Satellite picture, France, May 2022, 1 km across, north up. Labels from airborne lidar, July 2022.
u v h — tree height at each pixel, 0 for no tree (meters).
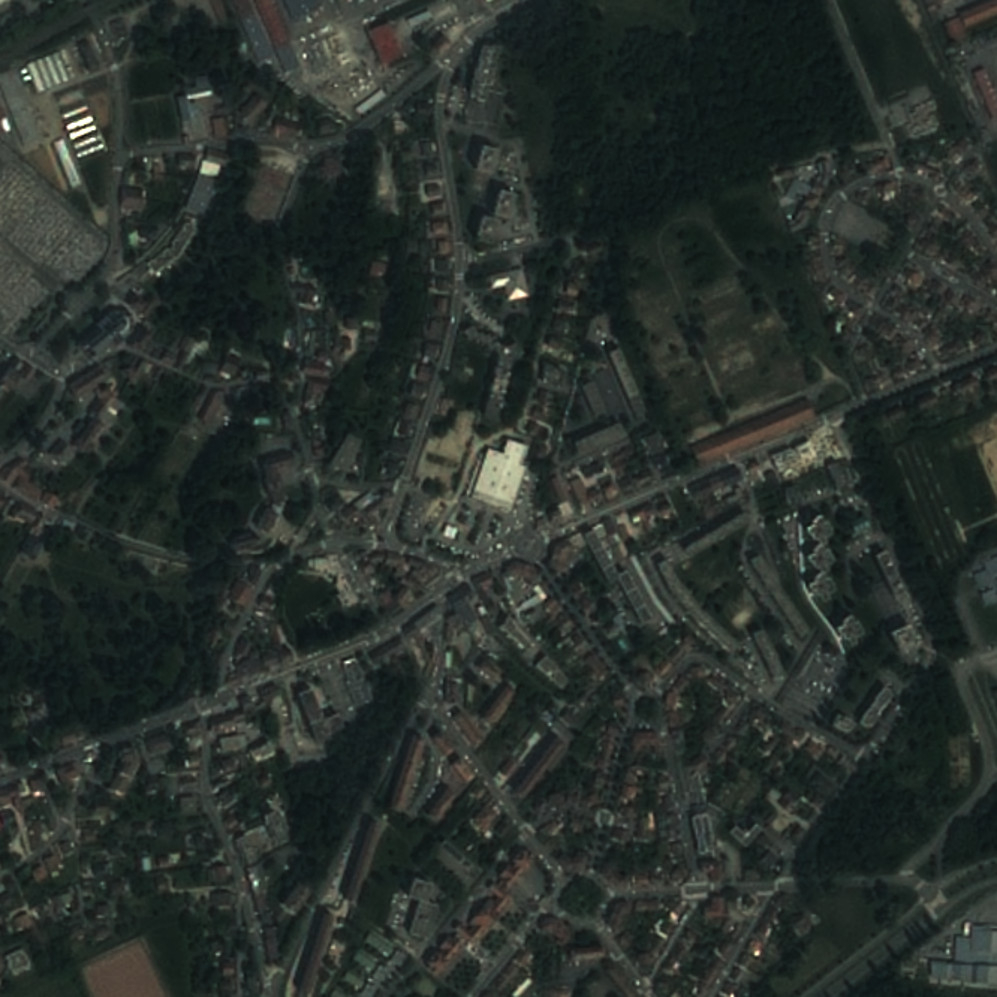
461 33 0
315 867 17
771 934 6
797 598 0
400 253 12
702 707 8
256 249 24
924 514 0
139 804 8
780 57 18
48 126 0
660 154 19
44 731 26
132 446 6
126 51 0
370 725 19
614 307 19
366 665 12
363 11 0
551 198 9
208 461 24
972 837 17
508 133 0
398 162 8
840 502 7
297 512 18
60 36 12
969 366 8
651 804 7
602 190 14
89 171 0
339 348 0
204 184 0
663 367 0
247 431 19
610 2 0
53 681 24
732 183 22
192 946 6
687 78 18
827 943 0
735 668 0
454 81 7
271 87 7
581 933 8
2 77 0
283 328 0
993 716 0
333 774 23
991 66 0
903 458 0
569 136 14
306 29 0
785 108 19
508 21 17
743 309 0
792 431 0
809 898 20
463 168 0
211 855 7
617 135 15
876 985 15
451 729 0
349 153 16
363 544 0
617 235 24
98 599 10
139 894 8
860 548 0
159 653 17
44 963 14
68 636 16
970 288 0
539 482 7
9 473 0
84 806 13
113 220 0
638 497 0
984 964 0
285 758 13
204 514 28
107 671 10
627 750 9
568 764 7
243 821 10
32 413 12
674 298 0
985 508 0
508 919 5
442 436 8
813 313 0
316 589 0
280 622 8
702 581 0
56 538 21
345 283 22
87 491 0
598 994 0
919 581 22
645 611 0
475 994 0
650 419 19
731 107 23
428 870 19
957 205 0
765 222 0
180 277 19
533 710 7
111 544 14
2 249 0
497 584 9
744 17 20
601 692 6
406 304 19
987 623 0
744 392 0
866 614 0
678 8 0
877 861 19
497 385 0
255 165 23
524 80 0
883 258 17
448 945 0
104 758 13
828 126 7
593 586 9
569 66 14
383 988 7
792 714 0
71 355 0
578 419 18
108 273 0
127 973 0
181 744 10
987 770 0
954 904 0
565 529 0
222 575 20
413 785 0
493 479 0
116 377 0
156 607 29
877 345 6
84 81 0
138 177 0
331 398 16
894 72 0
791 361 0
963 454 0
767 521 11
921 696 11
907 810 14
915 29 0
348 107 0
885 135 0
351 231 24
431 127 6
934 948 0
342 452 0
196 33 20
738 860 0
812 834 13
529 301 9
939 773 7
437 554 8
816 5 20
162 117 0
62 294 9
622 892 0
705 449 0
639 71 15
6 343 0
